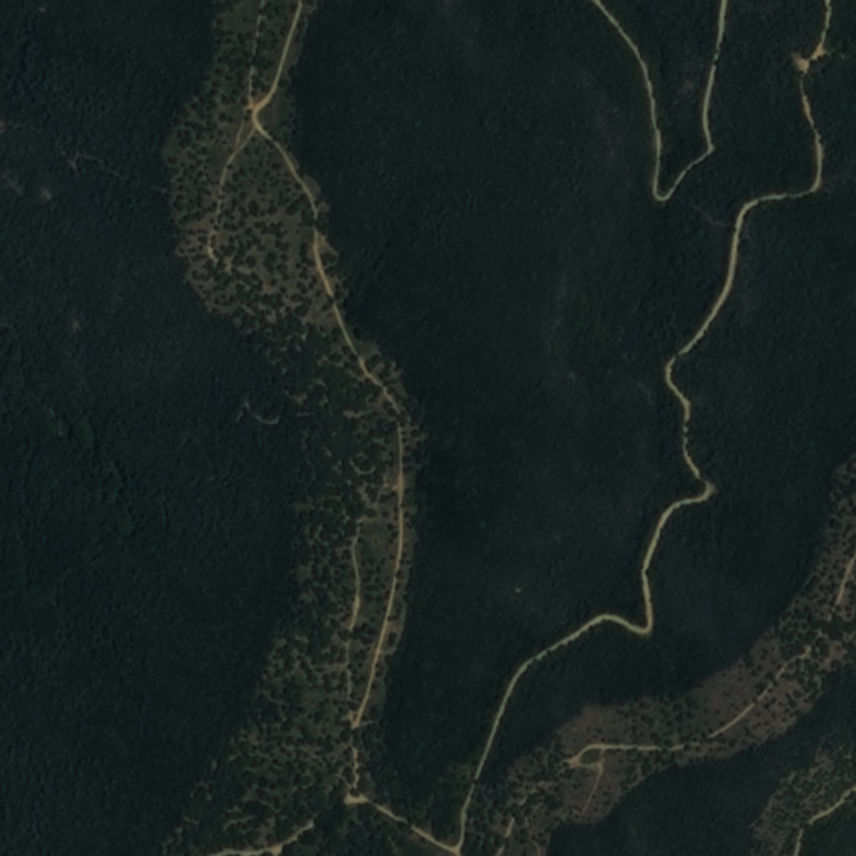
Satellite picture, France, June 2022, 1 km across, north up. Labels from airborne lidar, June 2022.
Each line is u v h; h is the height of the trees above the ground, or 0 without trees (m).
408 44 8
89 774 6
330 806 11
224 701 9
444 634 7
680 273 7
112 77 5
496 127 11
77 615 8
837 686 8
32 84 16
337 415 10
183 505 6
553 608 7
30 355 7
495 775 7
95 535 13
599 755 0
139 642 7
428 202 8
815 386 8
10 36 17
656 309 10
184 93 7
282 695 9
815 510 6
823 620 7
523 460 7
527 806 6
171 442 10
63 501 14
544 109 6
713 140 8
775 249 8
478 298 6
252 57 8
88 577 10
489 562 6
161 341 7
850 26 12
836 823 10
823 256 9
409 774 7
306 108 9
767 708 6
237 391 9
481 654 8
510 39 8
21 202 7
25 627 8
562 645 7
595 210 7
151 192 5
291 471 8
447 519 9
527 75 6
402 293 8
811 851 14
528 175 6
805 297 7
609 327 13
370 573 7
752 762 5
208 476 12
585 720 0
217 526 11
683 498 8
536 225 6
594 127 7
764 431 7
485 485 8
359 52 8
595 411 8
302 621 10
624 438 7
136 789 7
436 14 6
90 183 6
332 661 9
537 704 5
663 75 6
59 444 12
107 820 6
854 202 6
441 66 6
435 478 11
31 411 16
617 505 9
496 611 7
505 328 6
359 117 6
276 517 7
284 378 10
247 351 7
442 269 6
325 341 9
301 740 9
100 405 9
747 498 10
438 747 10
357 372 7
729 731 0
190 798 8
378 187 12
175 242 6
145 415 8
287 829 11
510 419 7
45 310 13
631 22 11
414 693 6
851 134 7
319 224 9
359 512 10
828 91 6
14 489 14
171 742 10
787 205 9
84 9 9
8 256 7
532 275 13
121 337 7
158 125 7
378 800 8
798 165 15
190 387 9
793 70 9
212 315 6
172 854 12
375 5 10
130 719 8
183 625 7
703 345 11
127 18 7
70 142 12
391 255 10
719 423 6
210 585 5
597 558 5
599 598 8
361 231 8
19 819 8
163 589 7
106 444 16
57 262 10
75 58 10
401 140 6
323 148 7
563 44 7
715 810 8
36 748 12
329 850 11
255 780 12
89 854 7
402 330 8
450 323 7
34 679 8
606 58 6
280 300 8
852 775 9
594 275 9
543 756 7
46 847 6
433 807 7
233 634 8
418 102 9
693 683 8
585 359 8
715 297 8
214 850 9
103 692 12
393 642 8
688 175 6
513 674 6
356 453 10
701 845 6
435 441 7
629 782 6
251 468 6
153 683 8
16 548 11
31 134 6
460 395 7
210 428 10
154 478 9
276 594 7
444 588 7
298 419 9
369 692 0
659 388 6
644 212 11
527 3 11
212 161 6
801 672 6
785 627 6
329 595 7
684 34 7
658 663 7
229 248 8
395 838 8
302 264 7
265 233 7
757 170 7
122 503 14
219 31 8
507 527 5
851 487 8
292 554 9
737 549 10
